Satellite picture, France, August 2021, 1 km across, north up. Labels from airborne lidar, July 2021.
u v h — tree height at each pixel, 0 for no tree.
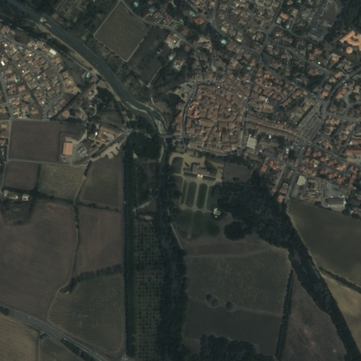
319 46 7
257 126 0
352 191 5
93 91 11
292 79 9
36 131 0
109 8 0
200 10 8
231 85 0
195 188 0
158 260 7
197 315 0
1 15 10
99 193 0
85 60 0
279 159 0
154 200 0
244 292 0
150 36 0
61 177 0
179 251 7
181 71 9
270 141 0
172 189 27
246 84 0
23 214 0
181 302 22
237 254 0
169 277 16
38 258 0
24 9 0
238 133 0
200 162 0
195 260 0
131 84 7
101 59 0
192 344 0
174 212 16
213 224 0
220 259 0
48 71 0
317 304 7
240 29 0
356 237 0
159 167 7
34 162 0
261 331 0
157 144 28
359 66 9
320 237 0
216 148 0
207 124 0
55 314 0
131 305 23
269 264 0
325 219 0
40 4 8
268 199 11
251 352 11
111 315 0
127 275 21
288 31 10
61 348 0
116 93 0
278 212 10
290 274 7
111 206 0
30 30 12
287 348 0
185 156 0
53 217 0
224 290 0
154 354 6
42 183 0
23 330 0
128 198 21
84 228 0
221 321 0
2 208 6
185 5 14
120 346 0
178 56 7
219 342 11
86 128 7
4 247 0
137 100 0
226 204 11
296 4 9
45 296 0
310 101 0
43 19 0
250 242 0
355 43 0
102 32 0
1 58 0
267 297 0
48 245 0
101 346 0
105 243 0
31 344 0
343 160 0
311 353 0
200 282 0
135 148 28
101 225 0
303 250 10
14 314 0
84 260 0
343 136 0
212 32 8
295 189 0
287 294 6
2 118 0
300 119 7
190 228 0
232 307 18
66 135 0
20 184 0
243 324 0
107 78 0
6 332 0
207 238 0
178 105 0
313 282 10
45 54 0
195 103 0
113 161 0
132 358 18
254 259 0
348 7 8
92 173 0
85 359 23
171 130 8
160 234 18
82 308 0
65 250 0
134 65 0
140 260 11
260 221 15
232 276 0
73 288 15
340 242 0
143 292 7
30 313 0
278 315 0
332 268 0
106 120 0
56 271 0
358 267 0
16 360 0
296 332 0
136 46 0
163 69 8
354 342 12
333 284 0
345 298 0
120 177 0
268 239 9
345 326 13
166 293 22
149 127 25
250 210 13
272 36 10
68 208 0
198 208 0
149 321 6
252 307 0
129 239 21
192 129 0
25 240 0
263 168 0
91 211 0
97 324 0
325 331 0
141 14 7
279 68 8
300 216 0
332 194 0
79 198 0
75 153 0
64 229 0
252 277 0
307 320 0
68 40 0
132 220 20
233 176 0
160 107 0
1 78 0
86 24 7
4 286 0
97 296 0
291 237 7
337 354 0
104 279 0
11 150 0
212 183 0
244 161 9
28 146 0
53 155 0
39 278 0
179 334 21
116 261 0
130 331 22
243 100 0
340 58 10
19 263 0
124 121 9
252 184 11
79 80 0
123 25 0
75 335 0
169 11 12
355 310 0
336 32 15
